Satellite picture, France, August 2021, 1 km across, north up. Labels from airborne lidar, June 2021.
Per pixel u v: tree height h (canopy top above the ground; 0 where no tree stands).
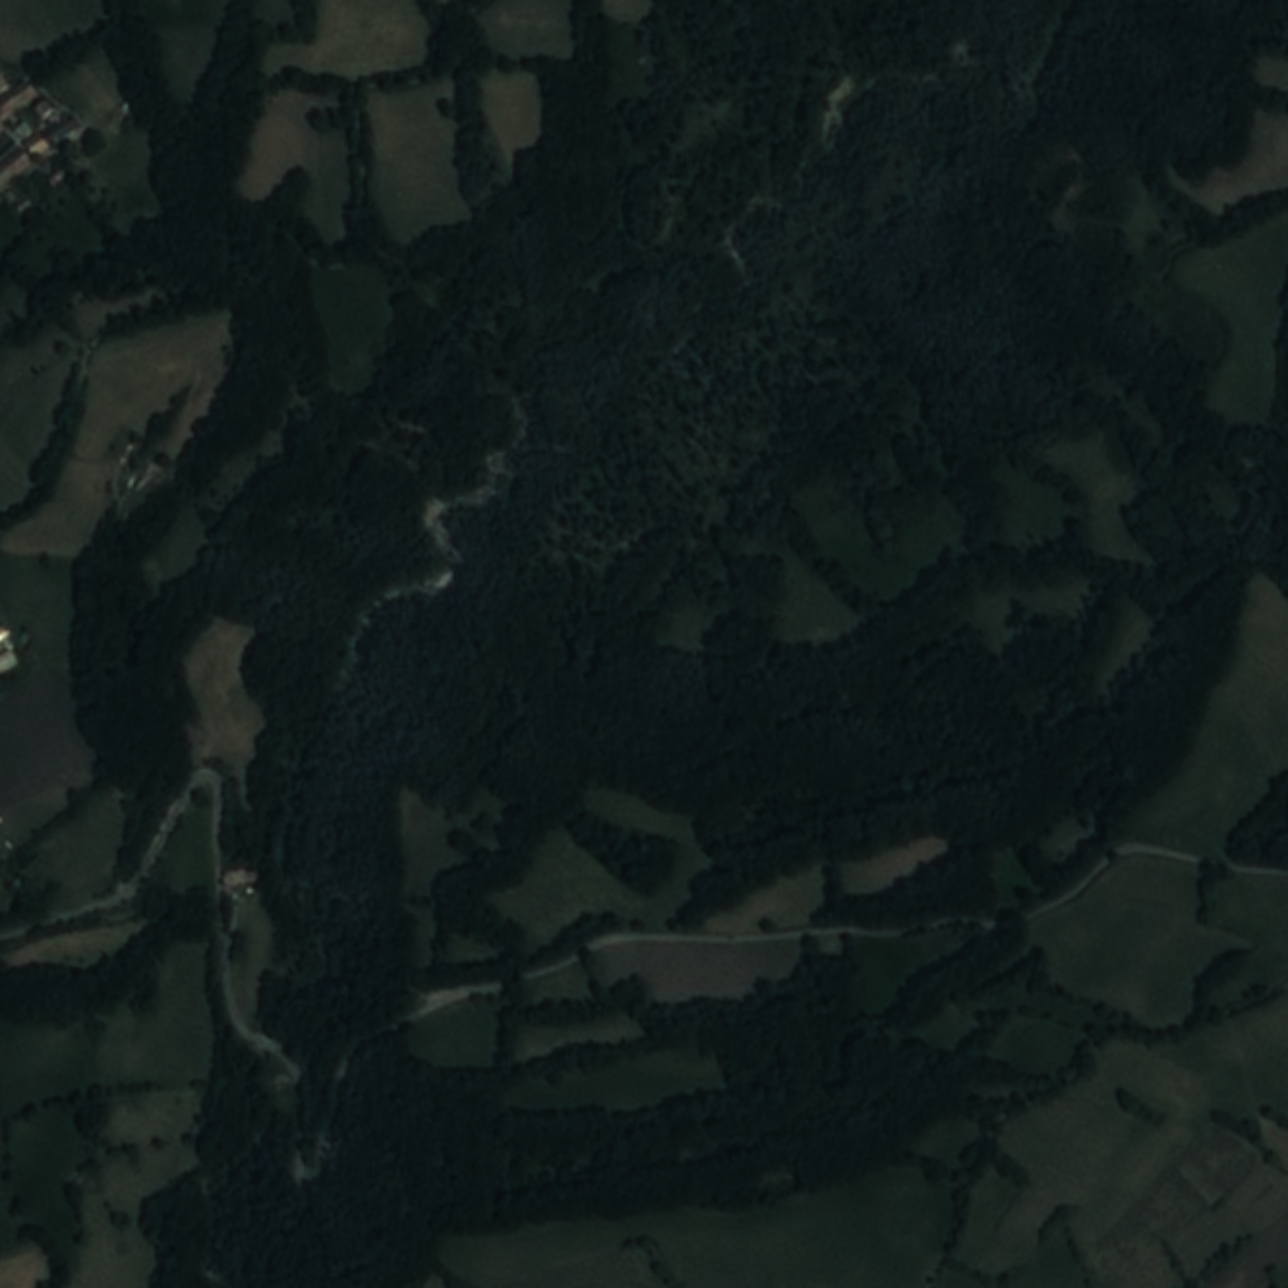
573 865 0
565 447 14
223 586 21
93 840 0
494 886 18
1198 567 17
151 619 19
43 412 0
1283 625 0
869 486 24
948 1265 8
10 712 0
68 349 11
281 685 22
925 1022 10
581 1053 15
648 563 18
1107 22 12
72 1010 15
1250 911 0
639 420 10
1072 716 7
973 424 21
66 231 0
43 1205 0
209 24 0
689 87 16
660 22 16
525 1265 0
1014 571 19
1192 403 21
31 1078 0
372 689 17
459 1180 26
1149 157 19
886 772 20
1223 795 0
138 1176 0
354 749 13
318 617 18
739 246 8
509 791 26
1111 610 18
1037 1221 0
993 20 21
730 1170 19
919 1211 0
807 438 17
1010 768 23
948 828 27
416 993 14
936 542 0
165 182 23
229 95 20
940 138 12
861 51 8
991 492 22
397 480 24
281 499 25
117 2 17
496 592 17
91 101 0
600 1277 0
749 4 19
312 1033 18
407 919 14
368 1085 16
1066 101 19
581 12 11
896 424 15
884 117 19
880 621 21
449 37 21
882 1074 29
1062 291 24
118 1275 0
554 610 21
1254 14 25
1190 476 13
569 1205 25
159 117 23
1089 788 15
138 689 36
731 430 20
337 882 13
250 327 24
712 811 24
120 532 14
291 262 23
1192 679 24
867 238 16
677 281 19
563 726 28
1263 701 0
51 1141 0
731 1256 0
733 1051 22
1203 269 0
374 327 0
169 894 9
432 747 17
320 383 28
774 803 12
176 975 0
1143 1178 0
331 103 0
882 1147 20
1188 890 0
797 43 27
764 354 14
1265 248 0
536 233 21
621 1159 19
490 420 24
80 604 15
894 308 21
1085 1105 0
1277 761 0
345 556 15
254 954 0
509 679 22
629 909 0
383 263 13
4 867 7
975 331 32
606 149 21
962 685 23
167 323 13
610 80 17
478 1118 19
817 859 10
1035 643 21
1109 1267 0
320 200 0
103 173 0
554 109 17
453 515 8
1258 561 8
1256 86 12
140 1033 0
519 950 15
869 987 0
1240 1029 0
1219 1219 0
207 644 0
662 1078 0
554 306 14
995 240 24
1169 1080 0
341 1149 12
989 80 9
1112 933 0
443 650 23
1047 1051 0
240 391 28
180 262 31
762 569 20
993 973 15
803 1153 28
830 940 0
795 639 0
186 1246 29
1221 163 16
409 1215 18
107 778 17
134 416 0
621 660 25
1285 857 22
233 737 0
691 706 26
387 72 6
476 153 16
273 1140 12
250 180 0
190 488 12
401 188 0
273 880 27
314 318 10
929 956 0
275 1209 24
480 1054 0
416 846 0
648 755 27
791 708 26
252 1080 17
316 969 7
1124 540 0
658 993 0
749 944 0
